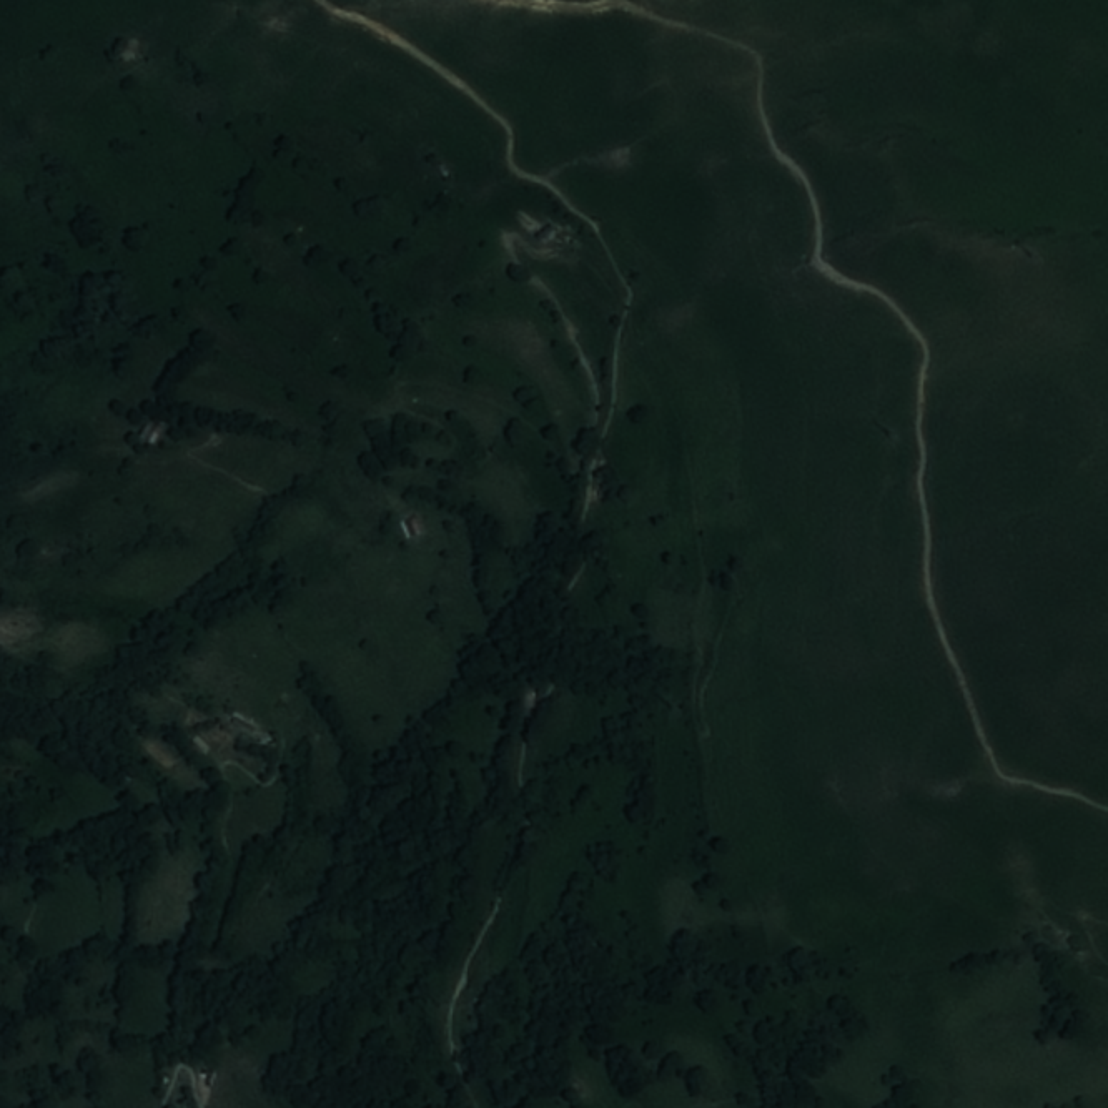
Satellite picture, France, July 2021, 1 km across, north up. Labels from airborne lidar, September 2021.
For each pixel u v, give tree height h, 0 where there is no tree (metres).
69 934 0
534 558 11
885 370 0
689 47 0
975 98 0
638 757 8
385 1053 12
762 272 0
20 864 29
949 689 0
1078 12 0
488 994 10
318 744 0
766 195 0
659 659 11
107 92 0
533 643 12
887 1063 0
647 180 0
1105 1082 0
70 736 19
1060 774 0
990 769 0
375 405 0
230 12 0
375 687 0
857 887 0
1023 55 0
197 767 17
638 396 0
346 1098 17
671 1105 0
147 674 7
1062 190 0
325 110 0
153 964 16
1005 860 0
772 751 0
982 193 0
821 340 0
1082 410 0
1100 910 0
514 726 14
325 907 13
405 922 19
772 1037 13
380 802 19
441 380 0
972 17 0
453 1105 14
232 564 11
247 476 0
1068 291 0
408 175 0
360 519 0
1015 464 0
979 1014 0
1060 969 8
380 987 12
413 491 11
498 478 0
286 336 0
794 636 0
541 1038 15
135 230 11
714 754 0
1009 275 0
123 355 15
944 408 0
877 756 0
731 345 0
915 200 0
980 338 0
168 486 0
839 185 0
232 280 0
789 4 0
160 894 0
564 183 0
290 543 0
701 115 0
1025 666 0
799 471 0
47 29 0
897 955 0
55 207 12
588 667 11
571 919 15
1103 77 0
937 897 0
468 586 0
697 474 0
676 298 0
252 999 16
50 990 10
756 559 0
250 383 0
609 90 0
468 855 21
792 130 0
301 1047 11
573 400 0
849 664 0
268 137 0
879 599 0
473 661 21
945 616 0
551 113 0
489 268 0
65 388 0
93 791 0
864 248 0
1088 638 0
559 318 15
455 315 0
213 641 0
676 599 0
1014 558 0
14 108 0
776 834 0
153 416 17
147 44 0
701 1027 0
